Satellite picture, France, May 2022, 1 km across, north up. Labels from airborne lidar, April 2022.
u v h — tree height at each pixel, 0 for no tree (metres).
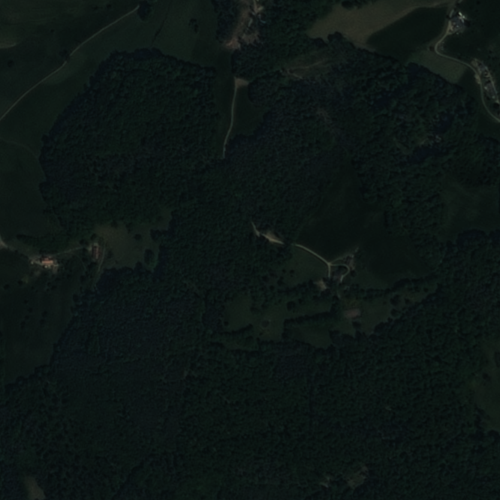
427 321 25
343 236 0
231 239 20
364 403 24
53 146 16
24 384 24
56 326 0
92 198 22
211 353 26
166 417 12
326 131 29
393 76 10
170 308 23
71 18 0
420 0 0
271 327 0
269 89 24
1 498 21
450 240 0
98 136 30
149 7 19
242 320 0
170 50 0
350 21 0
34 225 0
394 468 19
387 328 16
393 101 33
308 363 21
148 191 16
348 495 16
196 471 25
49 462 14
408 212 26
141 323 22
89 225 20
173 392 11
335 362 22
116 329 23
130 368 13
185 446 20
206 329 14
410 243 0
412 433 27
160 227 0
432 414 23
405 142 37
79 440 12
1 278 0
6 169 0
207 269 23
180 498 19
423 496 21
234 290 14
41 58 0
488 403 0
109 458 13
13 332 0
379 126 31
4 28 0
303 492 23
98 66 0
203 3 0
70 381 18
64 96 0
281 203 18
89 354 20
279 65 17
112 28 0
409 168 32
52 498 23
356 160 10
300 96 29
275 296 16
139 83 31
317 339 0
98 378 15
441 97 40
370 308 0
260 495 18
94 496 17
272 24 25
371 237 0
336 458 26
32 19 0
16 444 31
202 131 18
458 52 0
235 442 29
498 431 0
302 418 29
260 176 17
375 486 18
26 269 0
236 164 23
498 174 15
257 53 14
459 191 0
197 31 6
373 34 0
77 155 22
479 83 0
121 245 0
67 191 27
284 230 16
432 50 7
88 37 0
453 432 32
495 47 0
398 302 10
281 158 12
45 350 0
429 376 29
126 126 32
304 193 25
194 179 22
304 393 23
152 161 16
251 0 0
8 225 0
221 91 0
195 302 23
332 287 21
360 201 0
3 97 0
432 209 34
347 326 0
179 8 0
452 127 38
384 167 26
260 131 10
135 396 13
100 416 16
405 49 0
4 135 0
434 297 12
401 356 23
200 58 0
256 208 18
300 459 22
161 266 19
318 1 32
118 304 25
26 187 0
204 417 25
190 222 22
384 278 0
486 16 0
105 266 0
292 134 18
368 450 24
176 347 12
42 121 0
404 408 28
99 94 26
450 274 16
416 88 37
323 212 0
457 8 7
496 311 28
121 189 16
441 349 30
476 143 24
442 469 24
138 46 0
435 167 39
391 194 26
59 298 0
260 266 20
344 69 11
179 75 9
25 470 22
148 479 18
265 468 24
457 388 24
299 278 0
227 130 0
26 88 0
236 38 0
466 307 20
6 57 0
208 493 24
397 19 0
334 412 22
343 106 26
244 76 13
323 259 0
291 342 16
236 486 17
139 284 27
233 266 20
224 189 23
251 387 25
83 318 21
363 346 16
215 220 20
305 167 22
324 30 0
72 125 19
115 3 0
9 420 13
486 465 35
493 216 0
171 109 25
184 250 25
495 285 28
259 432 22
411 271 0
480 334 27
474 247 25
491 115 0
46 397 27
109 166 20
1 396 22
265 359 27
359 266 0
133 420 13
